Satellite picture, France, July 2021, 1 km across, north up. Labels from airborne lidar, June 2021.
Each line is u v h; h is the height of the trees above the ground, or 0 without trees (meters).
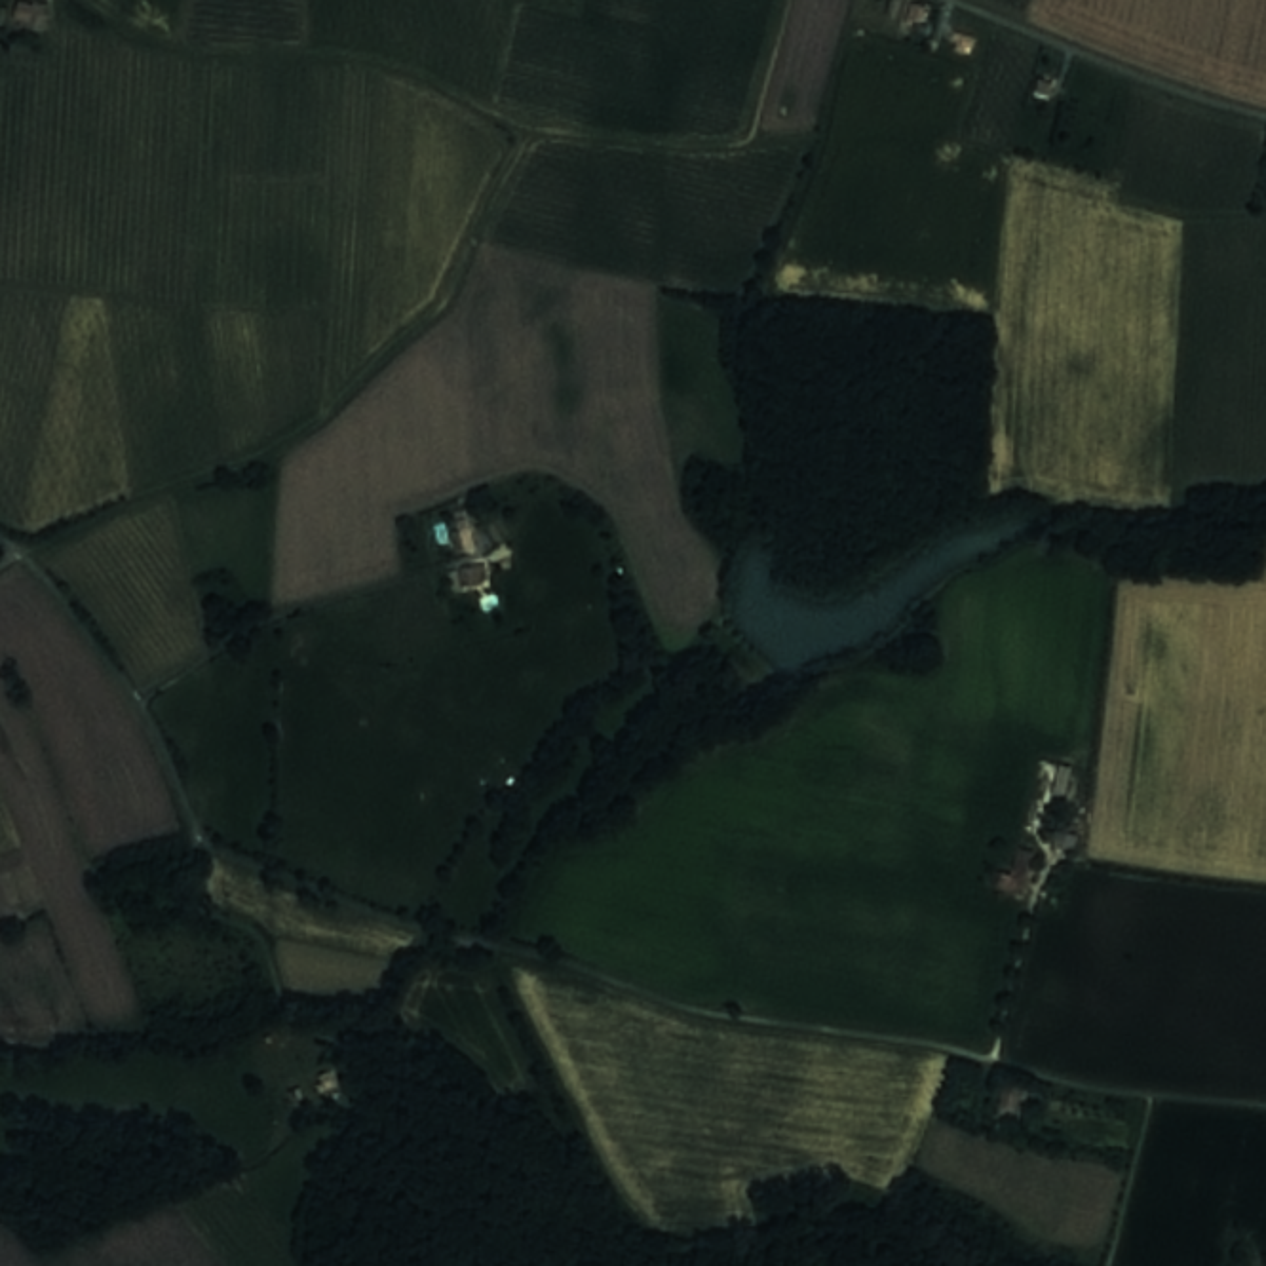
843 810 0
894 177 0
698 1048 0
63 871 0
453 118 0
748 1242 27
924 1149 0
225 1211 0
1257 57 0
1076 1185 0
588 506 11
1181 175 0
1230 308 0
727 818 0
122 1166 26
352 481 0
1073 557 0
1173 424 0
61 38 0
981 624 0
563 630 0
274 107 0
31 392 0
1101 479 0
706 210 0
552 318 0
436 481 0
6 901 0
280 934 0
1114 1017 0
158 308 0
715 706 25
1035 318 0
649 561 0
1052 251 0
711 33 0
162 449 0
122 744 0
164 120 0
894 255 0
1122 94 0
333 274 0
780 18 0
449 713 0
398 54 0
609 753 19
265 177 0
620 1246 27
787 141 0
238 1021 17
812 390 18
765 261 13
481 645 0
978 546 0
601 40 0
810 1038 0
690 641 0
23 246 0
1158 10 0
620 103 0
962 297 0
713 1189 0
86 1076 0
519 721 0
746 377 22
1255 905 0
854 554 19
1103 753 0
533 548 0
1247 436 0
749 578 0
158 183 0
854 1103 0
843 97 0
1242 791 0
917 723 0
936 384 24
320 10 0
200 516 0
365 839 0
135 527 0
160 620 0
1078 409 0
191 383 0
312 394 0
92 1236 13
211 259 0
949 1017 0
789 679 19
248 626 15
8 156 0
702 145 0
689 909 0
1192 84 0
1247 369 0
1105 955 0
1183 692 0
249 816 0
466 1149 26
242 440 0
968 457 21
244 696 0
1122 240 0
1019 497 18
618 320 0
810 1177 16
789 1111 0
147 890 15
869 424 19
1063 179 0
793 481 22
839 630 0
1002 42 0
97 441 0
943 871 0
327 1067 6
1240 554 25
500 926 18
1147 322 0
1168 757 0
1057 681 0
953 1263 30
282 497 0
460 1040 0
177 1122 20
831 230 0
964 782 0
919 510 21
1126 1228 0
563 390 0
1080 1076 0
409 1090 24
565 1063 0
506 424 0
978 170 0
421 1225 27
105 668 0
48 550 0
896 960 0
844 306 17
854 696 0
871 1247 20
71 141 0
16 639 0
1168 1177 0
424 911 12
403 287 0
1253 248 0
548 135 0
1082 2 0
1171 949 0
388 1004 24
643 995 0
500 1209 26
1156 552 25
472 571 0
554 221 0
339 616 0
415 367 0
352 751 0
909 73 0
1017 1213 0
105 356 0
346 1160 17
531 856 8
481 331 0
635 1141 0
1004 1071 16
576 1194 31
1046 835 13
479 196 0
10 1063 29
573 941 0
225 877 0
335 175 0
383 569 0
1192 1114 0
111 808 0
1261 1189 0
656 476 0
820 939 0
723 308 14
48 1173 22
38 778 0
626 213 0
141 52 0
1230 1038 0
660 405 0
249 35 0
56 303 0
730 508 11
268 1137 0
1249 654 0
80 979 0
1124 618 0
